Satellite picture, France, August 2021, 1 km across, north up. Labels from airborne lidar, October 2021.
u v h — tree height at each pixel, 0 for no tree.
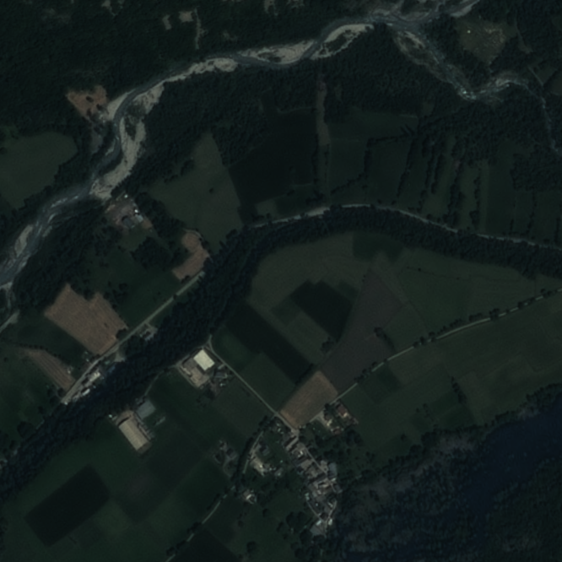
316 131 0
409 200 0
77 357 0
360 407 0
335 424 0
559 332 0
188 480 0
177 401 0
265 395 0
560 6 21
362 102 9
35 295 26
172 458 0
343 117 12
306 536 15
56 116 11
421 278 0
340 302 0
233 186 0
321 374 0
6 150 10
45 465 17
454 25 12
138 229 0
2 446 13
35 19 7
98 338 0
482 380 0
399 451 0
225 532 0
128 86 19
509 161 0
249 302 0
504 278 0
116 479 0
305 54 0
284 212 0
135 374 19
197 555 0
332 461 16
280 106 9
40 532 0
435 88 13
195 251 0
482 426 7
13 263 0
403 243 7
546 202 0
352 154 0
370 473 14
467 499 7
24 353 0
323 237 11
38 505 0
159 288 0
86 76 6
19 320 0
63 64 12
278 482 7
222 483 0
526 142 21
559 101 8
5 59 22
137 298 0
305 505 8
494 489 16
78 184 7
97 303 0
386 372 0
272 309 0
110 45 15
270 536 0
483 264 9
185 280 8
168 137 6
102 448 0
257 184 0
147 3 18
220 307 17
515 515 13
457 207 9
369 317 0
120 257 0
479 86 16
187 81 7
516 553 10
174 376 0
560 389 11
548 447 29
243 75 5
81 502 0
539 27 13
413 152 13
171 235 15
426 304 0
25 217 11
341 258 0
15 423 0
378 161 0
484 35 0
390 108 15
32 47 6
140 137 0
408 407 0
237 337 0
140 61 12
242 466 12
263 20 15
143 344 18
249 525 0
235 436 0
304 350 0
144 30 14
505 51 10
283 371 0
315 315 0
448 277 0
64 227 7
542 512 16
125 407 10
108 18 18
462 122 13
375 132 0
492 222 0
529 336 0
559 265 21
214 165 0
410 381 0
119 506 0
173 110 12
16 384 0
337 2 10
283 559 0
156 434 0
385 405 0
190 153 8
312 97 18
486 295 0
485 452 19
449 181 0
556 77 10
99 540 0
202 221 0
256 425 0
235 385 0
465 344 0
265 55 0
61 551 0
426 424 0
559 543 15
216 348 0
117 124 0
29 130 16
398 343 0
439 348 0
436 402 0
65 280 10
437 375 0
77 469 0
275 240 14
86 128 26
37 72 9
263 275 0
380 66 12
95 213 11
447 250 13
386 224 17
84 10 10
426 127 8
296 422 0
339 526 13
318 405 0
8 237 12
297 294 0
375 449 0
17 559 0
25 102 13
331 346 8
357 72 12
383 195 0
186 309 22
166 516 0
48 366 0
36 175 0
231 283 6
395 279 0
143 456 0
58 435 15
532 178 13
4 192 0
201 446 0
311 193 0
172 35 16
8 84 17
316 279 0
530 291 0
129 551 0
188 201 0
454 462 8
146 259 9
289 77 7
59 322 0
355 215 15
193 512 0
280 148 0
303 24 8
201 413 0
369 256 0
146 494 0
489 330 0
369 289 0
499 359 0
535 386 0
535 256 24
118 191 10
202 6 13
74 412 9
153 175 9
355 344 0
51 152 0
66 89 18
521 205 0
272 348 0
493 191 0
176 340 18
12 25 11
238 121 7
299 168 0
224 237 0
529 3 20
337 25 0
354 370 0
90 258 0
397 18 0
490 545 13
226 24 14
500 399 0
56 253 9
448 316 0
